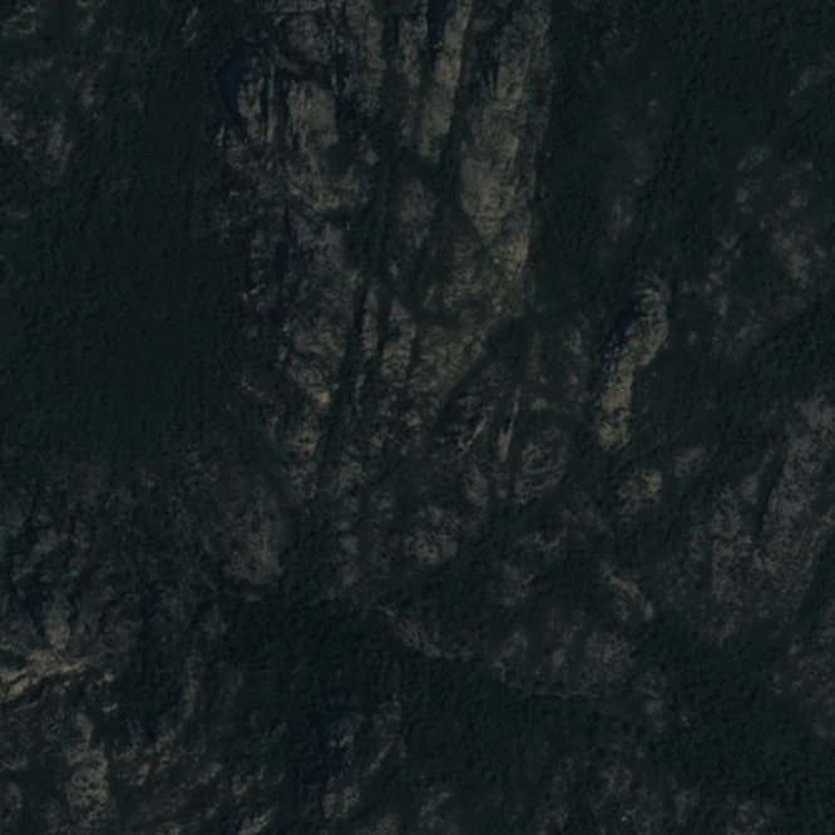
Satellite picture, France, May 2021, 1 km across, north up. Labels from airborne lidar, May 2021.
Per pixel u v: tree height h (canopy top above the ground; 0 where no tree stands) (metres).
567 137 12
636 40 8
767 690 7
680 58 14
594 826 9
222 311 14
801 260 0
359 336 7
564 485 16
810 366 22
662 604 9
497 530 14
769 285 10
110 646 11
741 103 19
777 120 18
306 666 12
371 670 10
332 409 11
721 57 24
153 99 14
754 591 8
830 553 13
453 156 13
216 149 18
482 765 17
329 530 18
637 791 13
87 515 6
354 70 10
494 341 13
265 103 6
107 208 14
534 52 16
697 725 22
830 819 13
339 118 8
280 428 14
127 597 7
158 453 15
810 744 20
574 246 15
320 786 13
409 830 14
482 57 9
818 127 18
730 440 14
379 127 15
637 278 14
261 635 12
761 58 15
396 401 7
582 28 12
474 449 13
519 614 8
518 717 17
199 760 9
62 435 16
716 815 12
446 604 11
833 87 12
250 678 9
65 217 15
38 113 12
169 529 7
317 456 13
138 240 16
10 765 8
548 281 6
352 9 0
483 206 0
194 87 16
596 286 14
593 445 13
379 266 6
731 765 23
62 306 20
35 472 9
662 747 14
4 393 13
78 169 13
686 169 25
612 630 12
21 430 14
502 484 9
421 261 13
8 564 18
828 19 18
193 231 17
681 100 6
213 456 12
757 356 12
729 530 7
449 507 13
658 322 9
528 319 9
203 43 8
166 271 19
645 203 18
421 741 11
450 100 9
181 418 9
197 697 9
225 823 14
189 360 15
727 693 16
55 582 9
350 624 15
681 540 7
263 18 7
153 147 15
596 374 14
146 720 7
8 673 0
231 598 14
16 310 7
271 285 7
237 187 8
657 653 10
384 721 6
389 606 15
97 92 8
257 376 8
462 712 9
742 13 17
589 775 7
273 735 11
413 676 8
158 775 9
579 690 15
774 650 8
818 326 24
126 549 6
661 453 15
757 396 12
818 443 9
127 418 15
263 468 17
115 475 9
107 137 7
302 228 0
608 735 17
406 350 9
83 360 20
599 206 17
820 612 13
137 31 7
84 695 20
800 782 11
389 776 6
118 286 21
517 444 10
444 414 9
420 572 6
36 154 12
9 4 9
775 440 14
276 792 8
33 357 21
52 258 15
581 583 15
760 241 14
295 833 13
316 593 14
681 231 8
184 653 7
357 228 12
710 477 10
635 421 12
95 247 21
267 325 18
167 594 10
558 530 10
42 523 5
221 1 8
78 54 8
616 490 14
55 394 12
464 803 6
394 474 14
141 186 16
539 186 6
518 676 16
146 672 10
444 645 13
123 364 19
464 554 15
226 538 10
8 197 7
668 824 15
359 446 13
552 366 8
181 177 12
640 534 12
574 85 15
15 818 11
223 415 13
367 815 10
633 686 17
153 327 21
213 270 18
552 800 12
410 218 0
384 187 11
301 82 29
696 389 15
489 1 11
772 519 8
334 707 7
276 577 8
